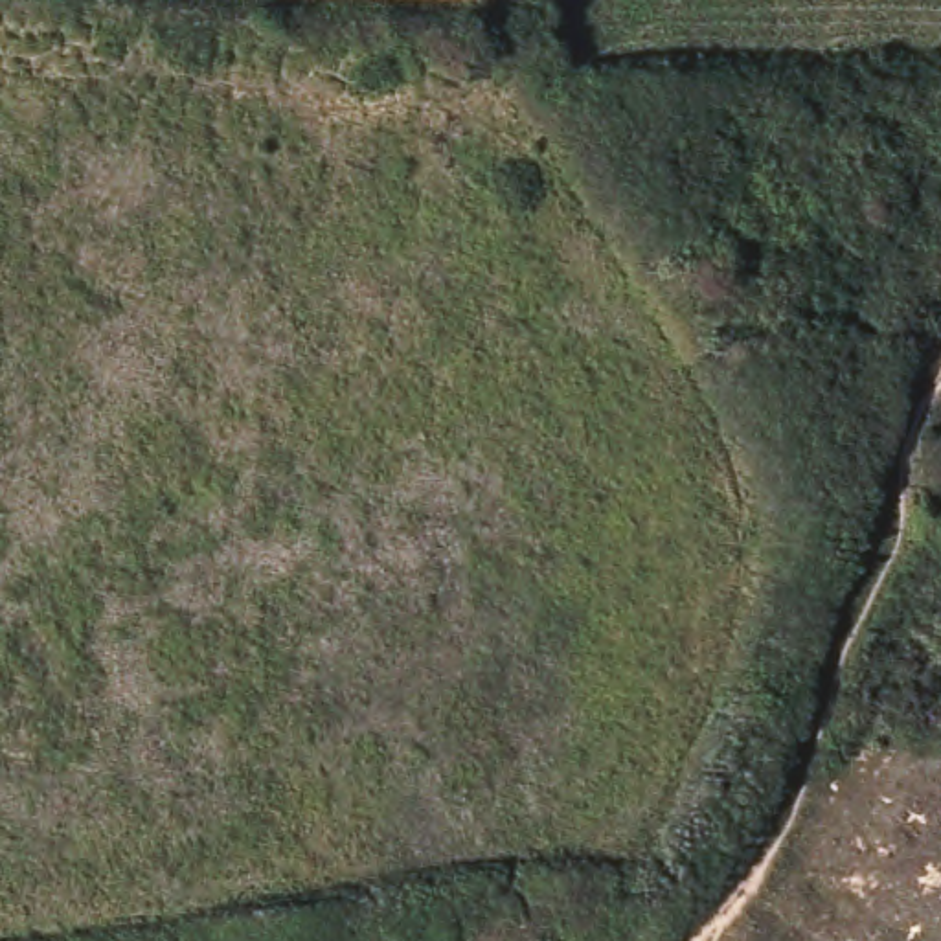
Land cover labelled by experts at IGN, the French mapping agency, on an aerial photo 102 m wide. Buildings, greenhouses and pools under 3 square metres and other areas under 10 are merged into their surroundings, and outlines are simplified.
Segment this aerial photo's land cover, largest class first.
<instances>
[{"label":"herbaceous vegetation","instance_id":"1","mask_svg":"<svg viewBox=\"0 0 941 941\"><path fill-rule=\"evenodd\" d=\"M26 33H48V22L33 18L18 26L15 18H0V941H691L720 912L735 886L754 871V864L783 827L798 790L805 794V805L787 849L779 853L757 897L724 930L720 941H941V757H912L908 750L864 746L834 783H812L809 772L816 761V743H794L787 735V720H776L772 713L757 724L750 717V698L731 695L735 673L746 665L757 643L761 618L772 614V599L761 588H776L794 577L809 533L816 526V511L805 507L790 489V474L783 463V401L776 386L754 393L739 379L746 349L720 342L713 316H706V305L720 298L724 287L713 283V272L706 265L673 268V261L665 257V243L658 239V221L643 213L647 191L614 184V169L595 151V136L581 140L570 151L562 143L559 114L540 110L518 88H496L489 81L437 88L430 81H415L412 88L401 85L397 92L364 96L353 74L360 66L357 51H346L334 62H316L309 66V74L283 70V81H272V70L243 66H217L213 74L184 70L154 51L151 37L129 44L125 59L99 55V44L88 37H66L48 51H29ZM511 158H529L544 169V202L537 210H526L515 187L504 184V165ZM290 533L316 537L320 544L283 577H276L268 566L217 562V551L224 544H243L246 537L287 544ZM118 640H125L136 654H147V665L158 680V698L151 713H132L125 702H114L107 695V669L96 654ZM901 489L915 496V507H926V493H941V368L937 379H930L919 368L908 375V415L879 474L875 522L864 540L856 573L842 592V603L831 610V629L816 665V695L805 724L823 731L834 713L838 658L842 640L856 618V607L890 551Z\"/></svg>","mask_w":941,"mask_h":941},{"label":"brushwood","instance_id":"2","mask_svg":"<svg viewBox=\"0 0 941 941\"><path fill-rule=\"evenodd\" d=\"M0 18H15L18 26L33 18L48 22V33H26L29 51H48L66 37H88L99 44V55L125 59L129 44L151 37L154 51L184 70L213 74L217 66H243L272 70V81H283V70L309 74V66L316 62H334L346 51H357L360 66L353 74L364 96L397 92L401 85L412 88L415 81H430L437 88L489 81L496 88H518L540 110L559 114L562 143L570 151L581 140L595 136V151L614 169V184L647 191L643 213L658 221V239L665 243V257L673 261V268L706 265L713 272V283L724 287L720 298L706 305V316H713L720 342L746 349L739 379L754 393L776 386L783 401V463L790 474V489L805 507L816 511V526L809 533L794 577L776 588H761L772 599V614L761 618L757 643L746 665L735 673L731 695L750 698V717L757 724L772 713L776 720H787V735L794 743H816V761L809 772L812 783H834L864 746L908 750L912 757H941V493H926V507L930 518L923 522V540L919 548H912L915 562L908 570L897 566L890 573L867 625V643L856 647V658H838L834 713L823 731L805 724L816 695V665L831 629V610L842 603V592L856 573L864 540L875 522L879 474L908 415V375L919 368L930 379H937L941 368V48L890 40L838 51L640 48L603 51L595 66H581L566 59V48L555 37V0H0ZM504 184L515 187L526 210H537L544 202V169L529 158H511L504 165Z\"/></svg>","mask_w":941,"mask_h":941},{"label":"agricultural land","instance_id":"3","mask_svg":"<svg viewBox=\"0 0 941 941\"><path fill-rule=\"evenodd\" d=\"M555 37L566 48V59L581 66H595L603 51L640 48L838 51L890 40L941 48V0H555Z\"/></svg>","mask_w":941,"mask_h":941},{"label":"pervious surface","instance_id":"4","mask_svg":"<svg viewBox=\"0 0 941 941\"><path fill-rule=\"evenodd\" d=\"M930 518L926 507H915V496L901 489L890 551L856 607V618L842 640L838 658H856V647L867 643V625L890 573L897 566L908 570L915 562L912 548H919L923 540V522ZM320 544L316 537L290 533L287 544L246 537L243 544H224L217 551V562L268 566L276 577H283ZM107 669V695L114 702H125L132 713H151L158 698V680L147 665V654H136L125 640H118L96 654ZM805 805V794L798 790L783 827L754 864V871L735 886L720 912L691 941H720L724 930L757 897L779 853L787 849Z\"/></svg>","mask_w":941,"mask_h":941}]
</instances>
